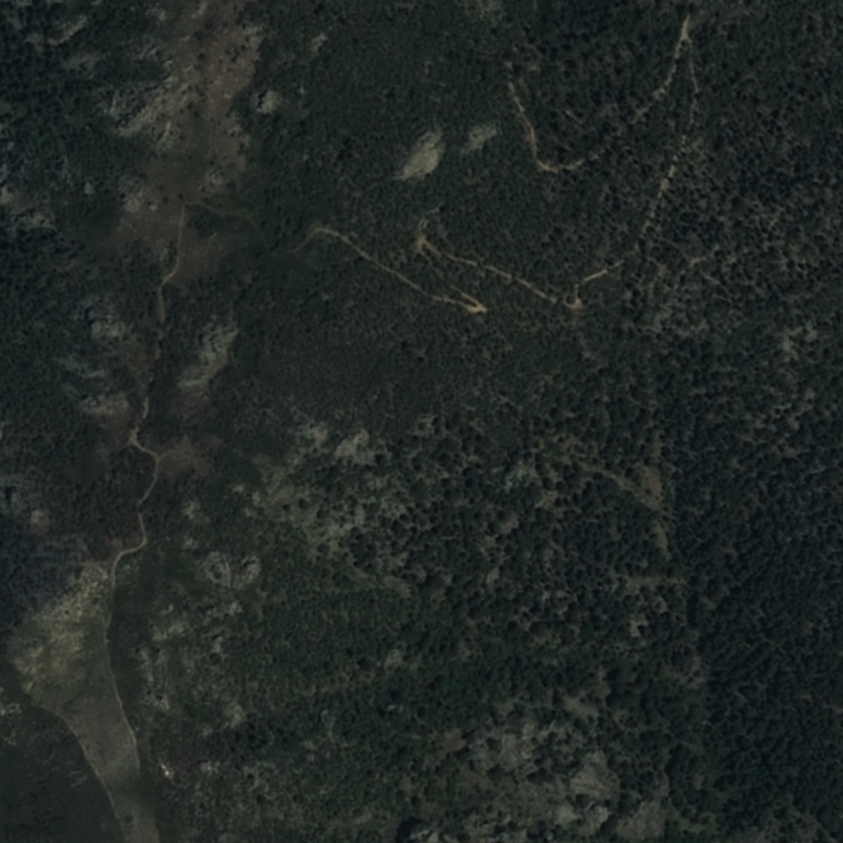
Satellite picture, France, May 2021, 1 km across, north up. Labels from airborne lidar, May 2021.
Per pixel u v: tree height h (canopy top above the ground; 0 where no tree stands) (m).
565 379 14
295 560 9
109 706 0
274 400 9
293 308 10
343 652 11
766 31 6
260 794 9
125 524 9
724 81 7
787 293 21
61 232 8
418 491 23
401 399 14
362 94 12
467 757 25
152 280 8
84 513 8
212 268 0
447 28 15
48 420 8
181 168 0
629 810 22
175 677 0
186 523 7
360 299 10
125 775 0
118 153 7
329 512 9
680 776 37
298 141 11
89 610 0
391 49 12
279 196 10
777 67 7
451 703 9
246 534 11
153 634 0
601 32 19
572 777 8
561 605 15
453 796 16
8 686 0
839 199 10
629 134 9
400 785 12
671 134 8
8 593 8
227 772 9
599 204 9
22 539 10
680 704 33
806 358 11
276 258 0
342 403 9
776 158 12
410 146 9
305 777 11
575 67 26
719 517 24
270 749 6
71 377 8
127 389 7
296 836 10
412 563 20
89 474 0
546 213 13
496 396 10
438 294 12
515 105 12
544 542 16
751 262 11
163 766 0
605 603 22
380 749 13
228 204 0
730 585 32
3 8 10
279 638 11
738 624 30
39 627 0
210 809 8
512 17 13
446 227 8
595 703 18
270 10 9
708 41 14
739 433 19
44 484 7
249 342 13
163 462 0
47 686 0
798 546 22
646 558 21
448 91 16
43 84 9
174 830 0
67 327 9
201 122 0
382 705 10
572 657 11
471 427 12
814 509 18
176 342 12
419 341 11
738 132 15
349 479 10
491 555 9
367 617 10
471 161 10
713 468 16
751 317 16
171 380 9
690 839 11
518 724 0
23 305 10
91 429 6
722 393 16
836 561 23
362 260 13
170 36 0
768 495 18
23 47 11
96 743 0
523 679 17
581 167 10
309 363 10
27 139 8
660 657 15
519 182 14
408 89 10
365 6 12
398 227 9
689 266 10
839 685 26
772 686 8
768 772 25
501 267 9
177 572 0
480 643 16
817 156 10
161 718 0
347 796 9
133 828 0
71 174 8
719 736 13
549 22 22
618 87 13
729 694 32
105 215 0
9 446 7
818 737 29
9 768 0
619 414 24
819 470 11
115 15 11
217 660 15
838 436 18
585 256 10
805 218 11
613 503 21
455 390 11
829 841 23
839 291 8
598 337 12
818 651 25
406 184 10
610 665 21
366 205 10
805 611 29
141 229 0
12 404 8
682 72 12
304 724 7
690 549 22
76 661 0
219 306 9
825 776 28
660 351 14
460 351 10
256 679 11
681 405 24
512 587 19
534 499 15
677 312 10
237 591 8
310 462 11
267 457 0
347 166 13
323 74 15
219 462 8
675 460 7
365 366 13
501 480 13
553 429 19
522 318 12
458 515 13
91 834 0
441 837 9
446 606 12
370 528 7
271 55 8
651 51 12
